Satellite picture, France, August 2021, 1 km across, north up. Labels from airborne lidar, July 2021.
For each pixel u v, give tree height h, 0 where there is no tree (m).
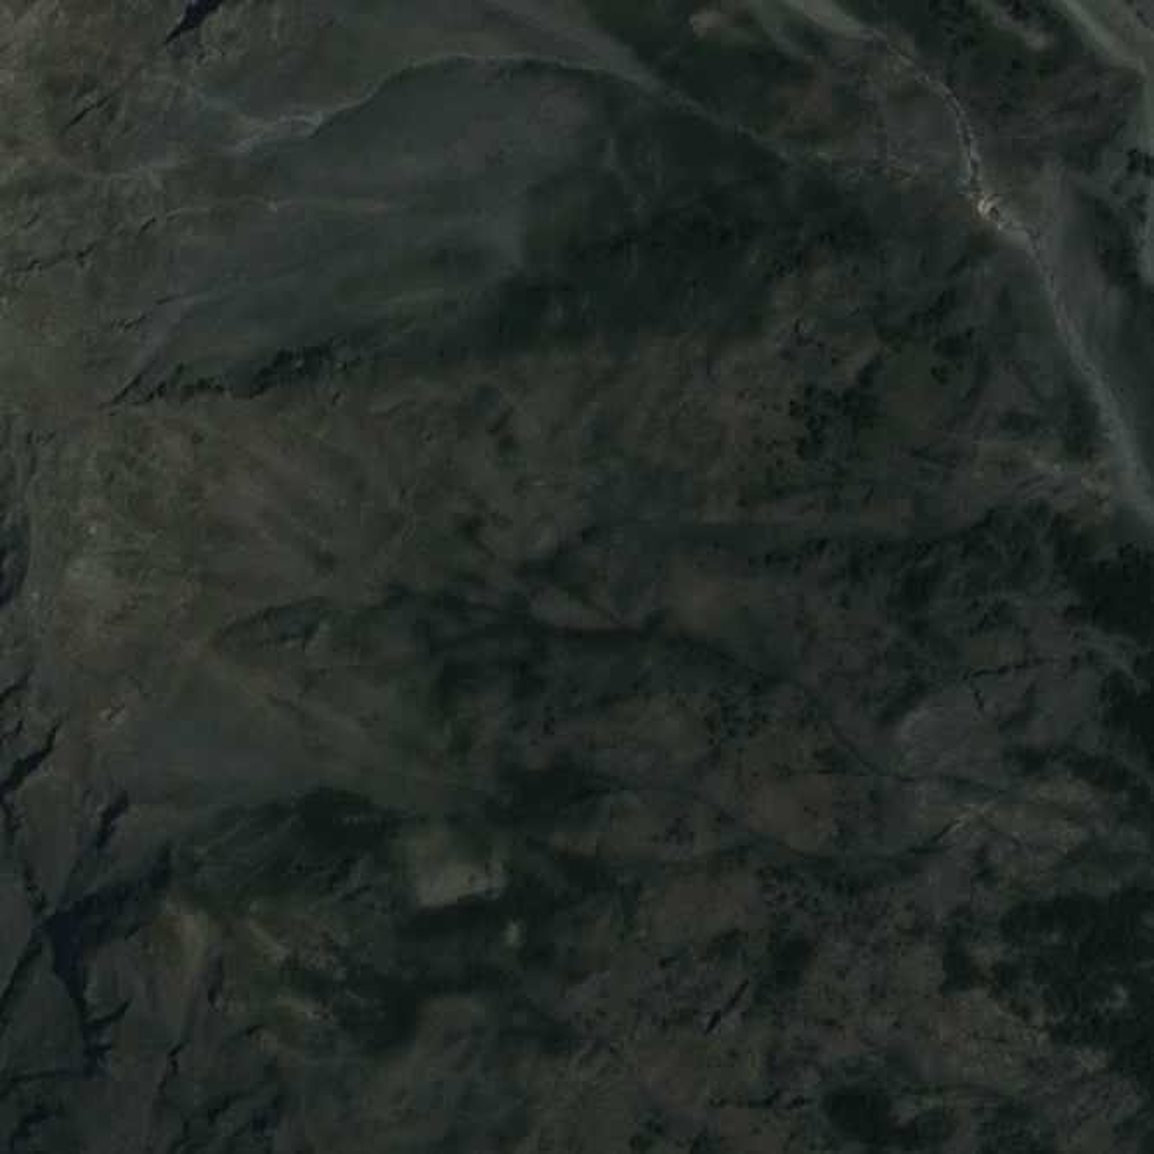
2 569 0
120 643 0
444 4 0
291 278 0
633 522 0
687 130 0
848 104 0
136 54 0
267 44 0
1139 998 10
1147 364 0
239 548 0
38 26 0
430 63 0
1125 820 6
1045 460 0
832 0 0
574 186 0
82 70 0
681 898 0
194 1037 0
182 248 0
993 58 0
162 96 0
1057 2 0
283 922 0
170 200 0
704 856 0
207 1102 0
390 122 0
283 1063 0
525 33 0
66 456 0
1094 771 10
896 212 0
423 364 0
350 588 0
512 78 0
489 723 0
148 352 0
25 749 0
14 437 0
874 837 6
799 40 0
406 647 0
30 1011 0
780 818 0
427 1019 0
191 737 0
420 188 0
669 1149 0
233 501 0
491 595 0
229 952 0
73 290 0
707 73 0
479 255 0
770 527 0
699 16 0
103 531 0
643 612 0
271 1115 0
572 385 0
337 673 0
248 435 0
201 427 0
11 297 0
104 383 0
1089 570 11
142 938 0
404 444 0
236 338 0
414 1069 0
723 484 0
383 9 0
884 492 0
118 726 0
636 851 0
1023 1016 6
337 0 0
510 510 0
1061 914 7
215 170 0
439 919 6
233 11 0
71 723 0
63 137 0
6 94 0
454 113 0
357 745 0
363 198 0
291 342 0
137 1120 0
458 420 0
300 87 0
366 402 0
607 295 0
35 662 0
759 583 0
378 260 0
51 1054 0
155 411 0
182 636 0
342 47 0
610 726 0
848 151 0
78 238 0
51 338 0
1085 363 0
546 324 0
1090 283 0
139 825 0
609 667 0
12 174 0
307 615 0
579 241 5
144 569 0
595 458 0
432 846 0
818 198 0
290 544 0
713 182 0
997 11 0
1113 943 10
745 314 0
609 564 0
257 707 0
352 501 0
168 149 0
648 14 0
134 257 0
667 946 0
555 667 0
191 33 0
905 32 0
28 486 0
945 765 0
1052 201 0
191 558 0
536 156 0
